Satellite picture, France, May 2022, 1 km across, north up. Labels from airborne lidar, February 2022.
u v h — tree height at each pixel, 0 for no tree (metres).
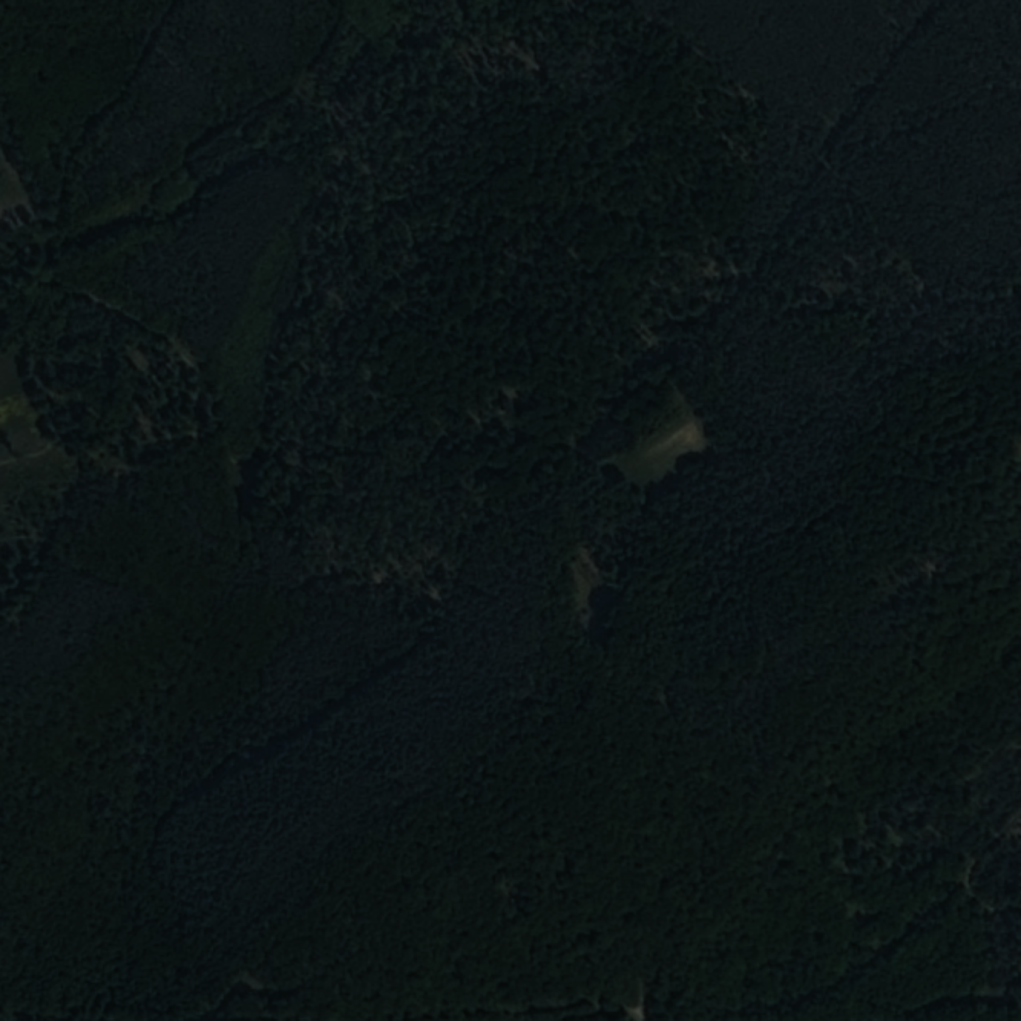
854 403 24
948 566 19
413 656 26
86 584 17
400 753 24
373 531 33
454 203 29
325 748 31
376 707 26
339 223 30
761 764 22
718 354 17
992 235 19
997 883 7
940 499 22
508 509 24
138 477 16
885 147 22
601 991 23
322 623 17
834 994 22
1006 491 28
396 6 26
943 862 26
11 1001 22
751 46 19
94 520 15
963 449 18
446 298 23
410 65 20
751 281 20
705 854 22
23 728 20
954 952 23
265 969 19
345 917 23
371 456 31
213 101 16
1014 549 29
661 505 23
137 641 15
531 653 19
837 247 26
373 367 27
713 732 21
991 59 21
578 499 22
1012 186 20
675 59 22
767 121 16
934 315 23
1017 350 23
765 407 23
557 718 20
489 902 21
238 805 31
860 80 20
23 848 25
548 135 28
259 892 18
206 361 16
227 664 13
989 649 23
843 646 20
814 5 19
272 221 24
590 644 31
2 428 0
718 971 26
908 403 26
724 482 24
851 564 24
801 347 21
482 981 26
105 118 21
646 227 29
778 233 21
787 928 20
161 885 29
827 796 30
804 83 17
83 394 28
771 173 22
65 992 24
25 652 19
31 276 19
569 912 25
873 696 29
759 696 23
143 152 22
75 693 22
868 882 21
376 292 26
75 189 19
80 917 26
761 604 23
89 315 26
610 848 26
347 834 21
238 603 18
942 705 29
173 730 11
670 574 26
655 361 24
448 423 30
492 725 19
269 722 15
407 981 27
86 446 26
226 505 17
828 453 26
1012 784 11
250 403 21
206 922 20
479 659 27
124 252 15
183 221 20
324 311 24
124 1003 26
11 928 26
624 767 24
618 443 25
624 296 26
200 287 13
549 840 24
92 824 30
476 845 24
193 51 18
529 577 21
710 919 26
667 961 23
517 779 23
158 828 28
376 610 17
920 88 23
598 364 29
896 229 23
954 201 24
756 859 28
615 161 28
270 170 22
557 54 29
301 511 28
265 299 22
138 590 15
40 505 6
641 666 19
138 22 22
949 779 26
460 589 22
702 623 26
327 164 20
